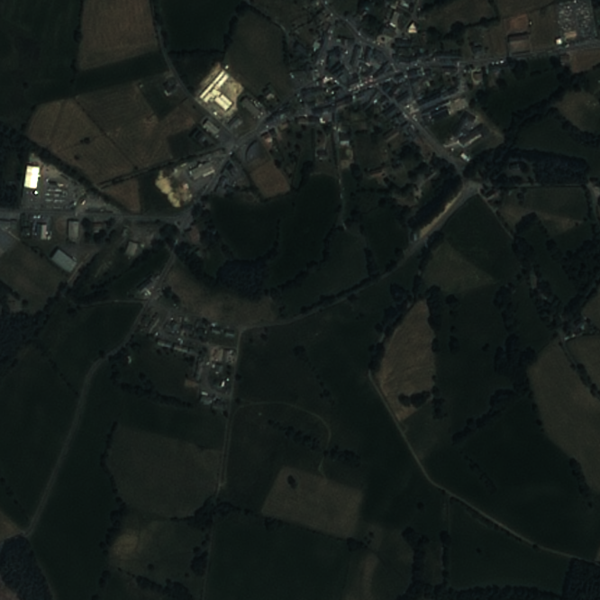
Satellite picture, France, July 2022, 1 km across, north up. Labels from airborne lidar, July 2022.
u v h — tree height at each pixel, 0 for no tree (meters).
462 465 0
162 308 0
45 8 0
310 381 0
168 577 0
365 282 10
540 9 0
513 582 0
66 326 0
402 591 0
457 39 12
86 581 0
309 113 0
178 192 0
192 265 12
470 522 0
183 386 0
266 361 0
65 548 0
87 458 0
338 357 0
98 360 0
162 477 0
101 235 16
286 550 0
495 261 0
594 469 0
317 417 0
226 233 0
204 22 0
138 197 0
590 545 0
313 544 0
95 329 0
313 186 0
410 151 19
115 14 0
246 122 0
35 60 0
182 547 0
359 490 0
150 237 0
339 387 0
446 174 16
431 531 0
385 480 0
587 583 13
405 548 0
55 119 0
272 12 0
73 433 0
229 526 0
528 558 0
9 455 0
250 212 0
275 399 0
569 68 10
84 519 0
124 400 0
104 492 0
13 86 0
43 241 0
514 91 0
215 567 0
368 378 0
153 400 12
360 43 0
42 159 14
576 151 0
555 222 0
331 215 0
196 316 0
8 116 0
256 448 0
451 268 0
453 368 0
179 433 0
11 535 0
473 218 0
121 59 0
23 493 0
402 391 0
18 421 0
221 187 0
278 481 0
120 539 0
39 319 18
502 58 0
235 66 0
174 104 0
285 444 0
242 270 26
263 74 0
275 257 17
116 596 0
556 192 0
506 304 17
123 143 0
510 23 0
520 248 19
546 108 14
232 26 15
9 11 0
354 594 0
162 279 0
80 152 0
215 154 0
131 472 0
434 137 0
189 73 0
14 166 0
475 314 0
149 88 0
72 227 0
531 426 0
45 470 0
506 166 13
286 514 0
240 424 0
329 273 0
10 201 21
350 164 0
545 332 0
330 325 0
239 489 0
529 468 0
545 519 0
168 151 0
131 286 0
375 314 0
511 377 15
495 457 0
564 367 0
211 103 0
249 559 0
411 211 10
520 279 12
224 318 0
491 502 0
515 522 0
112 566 0
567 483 0
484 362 0
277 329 0
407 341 0
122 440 0
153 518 0
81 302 8
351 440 0
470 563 0
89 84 0
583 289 9
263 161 0
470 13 0
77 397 6
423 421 0
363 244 0
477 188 0
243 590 0
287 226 0
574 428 0
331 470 0
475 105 9
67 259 0
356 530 0
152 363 0
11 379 0
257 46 0
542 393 0
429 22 0
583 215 0
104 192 0
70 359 0
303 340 0
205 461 0
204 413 0
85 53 0
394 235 0
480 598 13
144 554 0
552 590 0
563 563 0
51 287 0
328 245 11
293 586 0
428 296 12
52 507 0
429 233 0
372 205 0
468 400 0
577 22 0
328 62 7
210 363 0
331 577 0
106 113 0
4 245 0
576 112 0
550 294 15
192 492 0
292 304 0
